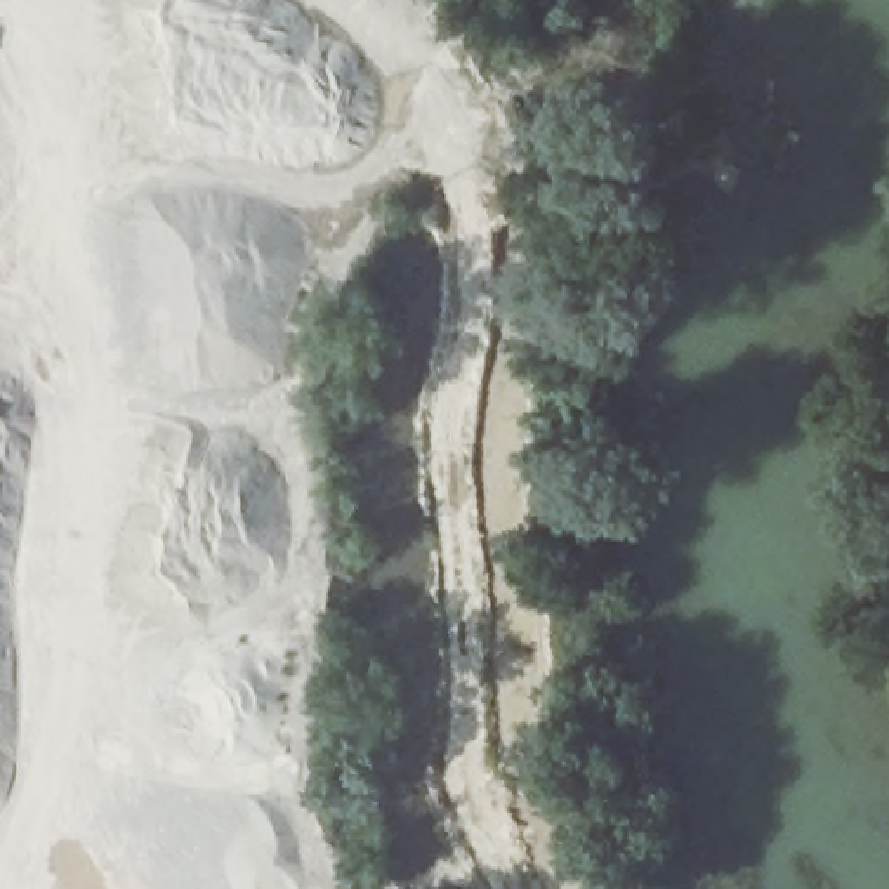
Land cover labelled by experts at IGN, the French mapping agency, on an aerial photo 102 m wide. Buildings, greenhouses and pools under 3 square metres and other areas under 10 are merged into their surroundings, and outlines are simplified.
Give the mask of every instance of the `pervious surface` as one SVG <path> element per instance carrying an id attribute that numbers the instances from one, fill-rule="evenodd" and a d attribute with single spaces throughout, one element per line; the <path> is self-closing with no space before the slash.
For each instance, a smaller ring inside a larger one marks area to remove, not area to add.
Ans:
<path id="1" fill-rule="evenodd" d="M 462 38 L 438 38 L 438 7 L 431 0 L 0 0 L 0 889 L 340 889 L 333 847 L 326 844 L 319 816 L 302 802 L 309 781 L 306 684 L 319 663 L 316 622 L 326 608 L 330 583 L 326 521 L 313 500 L 313 486 L 323 479 L 323 476 L 316 476 L 309 465 L 302 420 L 292 406 L 295 392 L 302 389 L 302 379 L 285 372 L 285 351 L 292 337 L 299 337 L 299 323 L 285 316 L 292 306 L 299 306 L 299 292 L 313 292 L 323 278 L 340 285 L 354 267 L 358 257 L 372 250 L 375 236 L 379 226 L 372 219 L 372 191 L 379 184 L 399 184 L 410 174 L 438 177 L 451 208 L 448 229 L 424 215 L 424 233 L 434 240 L 441 254 L 441 313 L 431 347 L 427 385 L 413 410 L 410 445 L 417 455 L 417 504 L 424 517 L 438 521 L 438 531 L 424 535 L 424 549 L 431 552 L 431 618 L 448 622 L 451 656 L 448 771 L 427 767 L 424 788 L 431 813 L 438 823 L 445 823 L 451 847 L 451 858 L 441 858 L 431 868 L 434 882 L 445 886 L 469 879 L 476 889 L 559 889 L 549 879 L 556 861 L 549 820 L 531 806 L 528 792 L 507 792 L 507 781 L 517 774 L 517 726 L 538 722 L 552 701 L 552 618 L 545 611 L 531 611 L 521 604 L 517 590 L 507 583 L 500 559 L 500 542 L 507 538 L 507 531 L 528 524 L 528 483 L 514 465 L 514 455 L 531 445 L 531 434 L 521 427 L 521 417 L 535 410 L 535 396 L 528 382 L 514 379 L 510 372 L 510 365 L 521 358 L 524 323 L 510 302 L 510 274 L 514 257 L 528 247 L 528 236 L 514 219 L 507 219 L 497 208 L 497 188 L 507 181 L 507 174 L 524 170 L 521 156 L 514 153 L 510 101 L 535 87 L 542 66 L 514 66 L 500 80 L 483 76 L 476 56 L 462 45 Z"/>

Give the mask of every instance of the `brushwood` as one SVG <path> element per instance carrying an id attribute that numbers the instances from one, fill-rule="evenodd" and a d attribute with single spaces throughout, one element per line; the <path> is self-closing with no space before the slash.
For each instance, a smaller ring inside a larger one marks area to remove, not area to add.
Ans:
<path id="1" fill-rule="evenodd" d="M 330 583 L 354 580 L 375 559 L 375 545 L 361 535 L 351 493 L 333 490 L 323 479 L 313 486 L 313 500 L 326 521 Z"/>
<path id="2" fill-rule="evenodd" d="M 375 236 L 399 240 L 424 233 L 424 215 L 448 229 L 451 208 L 438 177 L 410 174 L 399 184 L 379 184 L 372 191 L 372 219 L 379 226 Z"/>
<path id="3" fill-rule="evenodd" d="M 333 847 L 340 889 L 385 889 L 392 886 L 385 879 L 389 847 L 379 809 L 379 788 L 372 785 L 396 761 L 396 736 L 403 729 L 399 691 L 392 674 L 379 663 L 382 642 L 365 625 L 326 608 L 316 622 L 319 663 L 306 684 L 309 781 L 302 802 L 319 816 L 326 844 Z"/>
<path id="4" fill-rule="evenodd" d="M 379 351 L 385 337 L 379 309 L 368 299 L 368 274 L 354 267 L 340 285 L 323 278 L 313 292 L 299 292 L 299 306 L 292 306 L 285 316 L 299 323 L 299 337 L 292 337 L 285 351 L 285 372 L 302 379 L 302 389 L 295 392 L 292 406 L 302 420 L 309 465 L 316 476 L 323 476 L 340 458 L 326 448 L 323 434 L 337 427 L 340 417 L 361 424 L 361 406 L 372 399 L 375 379 L 382 372 Z"/>

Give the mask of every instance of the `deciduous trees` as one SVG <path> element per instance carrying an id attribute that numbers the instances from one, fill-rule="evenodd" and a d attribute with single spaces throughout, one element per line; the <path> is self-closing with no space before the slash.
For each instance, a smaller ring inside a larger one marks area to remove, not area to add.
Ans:
<path id="1" fill-rule="evenodd" d="M 816 517 L 820 542 L 837 570 L 813 604 L 809 639 L 816 649 L 830 653 L 833 667 L 854 695 L 882 698 L 889 705 L 889 184 L 875 181 L 872 188 L 875 226 L 868 278 L 858 288 L 851 309 L 826 333 L 826 354 L 833 358 L 833 368 L 799 403 L 799 431 L 813 445 L 813 479 L 806 483 L 802 500 Z"/>
<path id="2" fill-rule="evenodd" d="M 660 347 L 667 344 L 663 323 L 670 316 L 674 295 L 674 250 L 663 243 L 660 219 L 639 205 L 642 170 L 629 163 L 622 167 L 615 160 L 611 118 L 601 104 L 597 80 L 604 69 L 649 73 L 649 66 L 674 45 L 681 21 L 688 17 L 688 0 L 431 0 L 438 7 L 438 38 L 462 38 L 462 45 L 476 56 L 483 76 L 500 80 L 514 66 L 542 66 L 535 87 L 510 101 L 514 153 L 521 156 L 524 170 L 507 174 L 507 181 L 497 188 L 497 208 L 507 219 L 514 219 L 528 236 L 528 247 L 514 257 L 510 274 L 510 302 L 524 323 L 521 358 L 510 365 L 510 372 L 514 379 L 528 382 L 535 396 L 535 410 L 521 417 L 521 427 L 531 434 L 531 445 L 514 455 L 514 465 L 528 483 L 528 524 L 507 531 L 507 538 L 500 542 L 500 559 L 507 583 L 517 590 L 521 604 L 531 611 L 545 611 L 552 618 L 552 701 L 538 722 L 517 726 L 517 774 L 507 781 L 507 792 L 528 792 L 531 806 L 549 820 L 556 861 L 549 879 L 559 889 L 649 889 L 653 879 L 674 875 L 663 865 L 660 847 L 660 837 L 667 833 L 667 792 L 649 771 L 653 719 L 646 708 L 632 701 L 635 688 L 618 681 L 608 667 L 594 667 L 594 656 L 587 649 L 611 622 L 618 625 L 639 618 L 635 604 L 629 604 L 625 542 L 635 542 L 646 521 L 656 517 L 656 510 L 670 500 L 677 472 L 670 458 L 670 441 L 639 438 L 618 431 L 608 420 L 590 417 L 587 399 L 597 379 L 622 382 L 632 372 L 632 365 L 656 365 Z"/>

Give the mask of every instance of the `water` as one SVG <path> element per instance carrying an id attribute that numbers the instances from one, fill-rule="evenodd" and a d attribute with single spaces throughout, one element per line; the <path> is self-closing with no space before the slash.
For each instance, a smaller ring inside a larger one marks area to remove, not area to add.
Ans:
<path id="1" fill-rule="evenodd" d="M 424 549 L 424 535 L 438 531 L 438 521 L 424 517 L 417 504 L 417 455 L 410 445 L 413 410 L 427 385 L 431 347 L 441 313 L 441 254 L 434 240 L 424 233 L 399 240 L 375 236 L 372 250 L 358 257 L 354 267 L 368 274 L 368 299 L 379 309 L 385 337 L 379 351 L 382 372 L 375 379 L 372 399 L 361 406 L 361 424 L 340 417 L 337 427 L 323 434 L 326 448 L 340 458 L 323 476 L 323 479 L 333 490 L 351 493 L 361 535 L 375 545 L 375 559 L 354 580 L 330 583 L 326 608 L 365 625 L 382 642 L 379 663 L 392 674 L 399 691 L 403 729 L 396 736 L 396 761 L 372 785 L 379 788 L 379 809 L 389 847 L 385 879 L 392 886 L 385 889 L 476 889 L 469 879 L 445 886 L 434 882 L 431 868 L 441 858 L 451 858 L 451 847 L 445 823 L 438 823 L 431 813 L 424 788 L 427 767 L 448 771 L 451 656 L 448 622 L 431 618 L 431 552 Z"/>
<path id="2" fill-rule="evenodd" d="M 622 382 L 597 379 L 587 399 L 590 417 L 608 420 L 618 431 L 639 438 L 670 441 L 670 458 L 677 472 L 670 500 L 656 510 L 656 517 L 646 521 L 635 542 L 625 542 L 629 604 L 635 604 L 639 618 L 618 625 L 611 622 L 587 649 L 594 656 L 594 667 L 608 667 L 618 681 L 635 688 L 632 701 L 646 708 L 653 719 L 649 771 L 667 792 L 667 833 L 660 837 L 660 847 L 663 865 L 674 875 L 653 879 L 649 889 L 889 889 L 889 705 L 882 698 L 854 695 L 833 667 L 830 653 L 816 649 L 809 639 L 813 604 L 837 570 L 820 542 L 816 517 L 802 500 L 806 483 L 813 479 L 813 445 L 799 431 L 799 403 L 833 368 L 833 358 L 826 354 L 826 333 L 851 309 L 858 288 L 868 278 L 875 226 L 872 188 L 875 181 L 889 184 L 889 0 L 688 0 L 688 17 L 681 21 L 674 45 L 649 66 L 649 73 L 604 69 L 597 80 L 601 104 L 611 118 L 615 160 L 622 167 L 629 163 L 642 170 L 639 205 L 660 219 L 663 243 L 674 250 L 674 295 L 670 316 L 663 323 L 667 344 L 660 347 L 656 365 L 632 365 L 632 372 Z"/>

